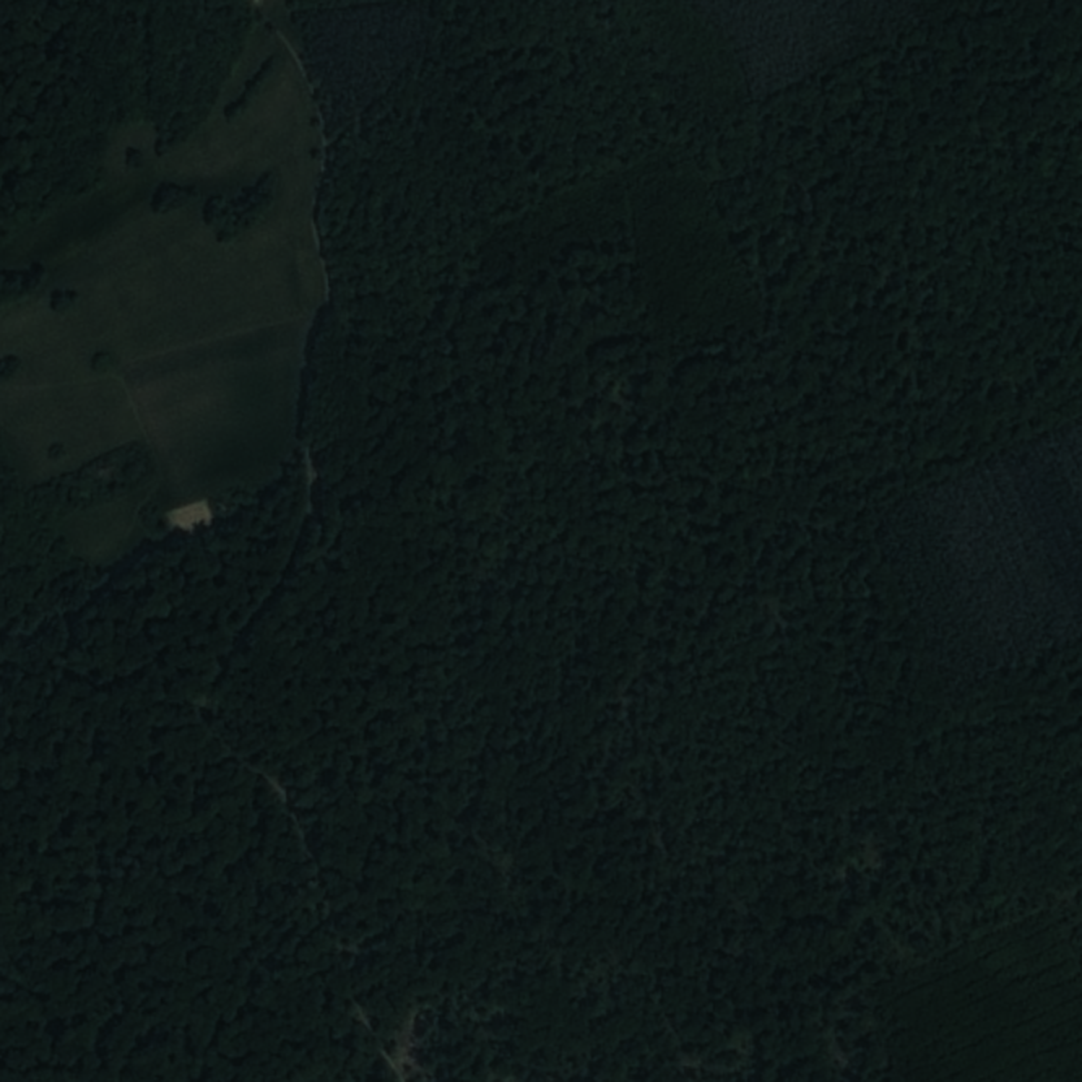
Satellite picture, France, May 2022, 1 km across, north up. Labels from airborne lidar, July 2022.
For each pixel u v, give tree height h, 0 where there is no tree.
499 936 23
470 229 25
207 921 29
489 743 24
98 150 18
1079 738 17
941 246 17
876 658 25
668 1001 20
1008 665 16
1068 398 15
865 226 20
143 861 29
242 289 0
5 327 0
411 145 19
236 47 17
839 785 20
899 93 18
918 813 19
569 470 20
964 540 16
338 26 15
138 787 31
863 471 20
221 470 0
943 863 21
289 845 24
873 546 17
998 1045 8
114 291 0
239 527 26
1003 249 19
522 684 20
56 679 25
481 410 26
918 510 19
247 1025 26
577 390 25
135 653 30
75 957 27
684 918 25
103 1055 30
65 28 28
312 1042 31
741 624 21
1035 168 17
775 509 19
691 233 6
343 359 19
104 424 0
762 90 16
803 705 20
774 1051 25
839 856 11
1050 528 14
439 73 17
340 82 15
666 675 24
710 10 10
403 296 13
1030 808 20
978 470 16
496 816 25
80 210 0
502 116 25
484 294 21
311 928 27
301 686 31
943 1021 8
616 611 22
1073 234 19
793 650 19
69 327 0
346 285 18
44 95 28
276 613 30
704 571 20
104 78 20
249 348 0
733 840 13
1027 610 14
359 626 28
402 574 27
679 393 21
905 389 22
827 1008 18
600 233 6
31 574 21
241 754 26
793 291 19
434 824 27
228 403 0
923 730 23
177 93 17
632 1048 18
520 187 20
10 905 28
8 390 0
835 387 20
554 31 20
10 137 29
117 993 26
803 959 24
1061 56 17
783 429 25
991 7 19
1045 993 7
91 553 0
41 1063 11
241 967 30
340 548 26
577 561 24
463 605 22
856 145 12
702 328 6
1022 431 19
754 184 22
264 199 18
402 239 22
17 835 27
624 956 19
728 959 21
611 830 25
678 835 17
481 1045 24
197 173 0
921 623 23
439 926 27
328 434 23
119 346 0
